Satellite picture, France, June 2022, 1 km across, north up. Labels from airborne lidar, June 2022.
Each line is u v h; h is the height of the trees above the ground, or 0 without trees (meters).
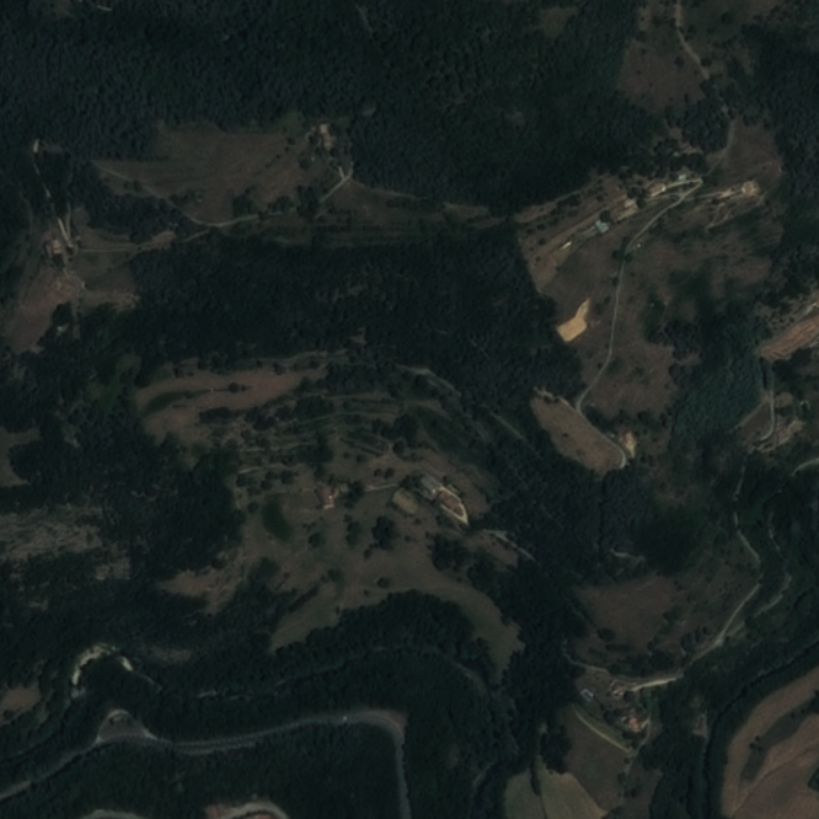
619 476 16
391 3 16
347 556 0
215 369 6
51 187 8
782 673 19
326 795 14
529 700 10
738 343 17
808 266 16
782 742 0
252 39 37
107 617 9
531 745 15
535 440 13
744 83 10
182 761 26
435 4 8
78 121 17
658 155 9
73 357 12
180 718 23
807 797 0
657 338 12
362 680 20
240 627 10
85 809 11
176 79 14
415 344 14
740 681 13
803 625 8
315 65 16
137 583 12
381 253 17
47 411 19
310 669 19
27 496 15
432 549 10
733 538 9
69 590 11
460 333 11
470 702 13
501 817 17
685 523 8
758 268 0
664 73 0
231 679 25
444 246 15
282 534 0
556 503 18
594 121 12
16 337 0
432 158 18
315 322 10
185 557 13
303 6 11
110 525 9
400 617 21
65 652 15
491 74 12
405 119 17
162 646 9
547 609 18
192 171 0
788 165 10
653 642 7
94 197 9
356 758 15
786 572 12
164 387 0
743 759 0
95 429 21
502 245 14
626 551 15
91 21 17
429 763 20
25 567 8
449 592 0
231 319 16
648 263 0
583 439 0
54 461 14
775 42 14
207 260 11
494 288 10
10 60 16
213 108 22
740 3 0
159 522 9
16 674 24
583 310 0
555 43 12
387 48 20
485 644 18
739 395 14
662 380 0
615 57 9
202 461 9
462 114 12
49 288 0
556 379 16
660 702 7
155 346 13
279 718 18
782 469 6
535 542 16
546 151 16
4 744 22
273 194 0
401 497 0
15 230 10
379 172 10
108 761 11
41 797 22
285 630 0
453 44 13
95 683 18
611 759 0
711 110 11
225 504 23
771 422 0
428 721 17
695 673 16
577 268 0
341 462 0
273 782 10
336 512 0
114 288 0
